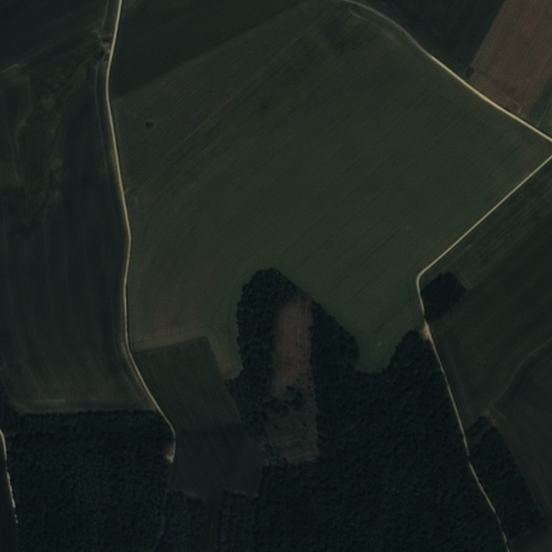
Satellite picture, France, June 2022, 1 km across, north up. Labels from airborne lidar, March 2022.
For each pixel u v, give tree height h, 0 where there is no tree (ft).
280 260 0
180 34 0
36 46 0
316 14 0
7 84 0
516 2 0
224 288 0
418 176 0
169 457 0
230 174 0
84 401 0
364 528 66
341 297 0
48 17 0
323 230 0
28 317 0
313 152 0
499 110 0
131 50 0
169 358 0
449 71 0
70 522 52
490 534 25
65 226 0
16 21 0
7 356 0
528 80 0
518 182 0
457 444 53
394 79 0
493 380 0
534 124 0
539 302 0
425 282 0
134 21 0
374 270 0
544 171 0
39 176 0
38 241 0
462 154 0
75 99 0
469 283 0
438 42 0
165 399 0
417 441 61
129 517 45
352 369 57
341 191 0
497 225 0
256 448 0
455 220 0
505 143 0
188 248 0
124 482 58
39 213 0
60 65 0
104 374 0
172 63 0
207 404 0
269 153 0
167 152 0
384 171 0
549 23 0
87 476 65
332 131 0
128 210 0
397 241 0
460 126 0
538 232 0
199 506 61
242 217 0
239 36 0
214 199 0
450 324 0
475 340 0
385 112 0
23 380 0
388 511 34
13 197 0
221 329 0
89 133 0
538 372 0
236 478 0
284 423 0
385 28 0
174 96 0
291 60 0
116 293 0
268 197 0
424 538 46
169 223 0
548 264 0
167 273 0
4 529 0
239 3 0
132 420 62
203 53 0
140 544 54
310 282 0
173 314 0
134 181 0
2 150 0
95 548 65
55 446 63
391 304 0
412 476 50
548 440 0
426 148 0
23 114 0
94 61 0
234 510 62
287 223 0
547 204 0
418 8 0
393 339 0
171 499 59
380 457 29
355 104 0
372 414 63
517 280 0
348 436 59
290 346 0
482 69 0
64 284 0
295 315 0
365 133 0
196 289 0
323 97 0
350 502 55
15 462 61
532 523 53
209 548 0
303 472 52
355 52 0
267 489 65
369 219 0
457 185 0
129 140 0
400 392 68
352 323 0
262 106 0
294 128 0
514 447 0
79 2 0
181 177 0
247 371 30
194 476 0
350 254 0
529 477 0
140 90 0
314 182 0
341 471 52
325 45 0
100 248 0
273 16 0
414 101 0
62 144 0
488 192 0
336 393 56
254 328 31
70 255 0
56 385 0
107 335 0
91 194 0
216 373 0
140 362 0
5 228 0
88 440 84
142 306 0
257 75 0
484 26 0
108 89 0
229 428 0
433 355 59
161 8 0
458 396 0
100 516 58
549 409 0
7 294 0
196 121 0
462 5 0
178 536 70
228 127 0
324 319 53
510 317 0
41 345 0
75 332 0
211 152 0
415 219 0
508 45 0
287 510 57
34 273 0
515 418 0
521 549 0
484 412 0
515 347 0
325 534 57
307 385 0
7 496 0
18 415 41
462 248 0
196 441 0
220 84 0
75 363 0
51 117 0
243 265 0
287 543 55
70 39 0
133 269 0
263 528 61
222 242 0
